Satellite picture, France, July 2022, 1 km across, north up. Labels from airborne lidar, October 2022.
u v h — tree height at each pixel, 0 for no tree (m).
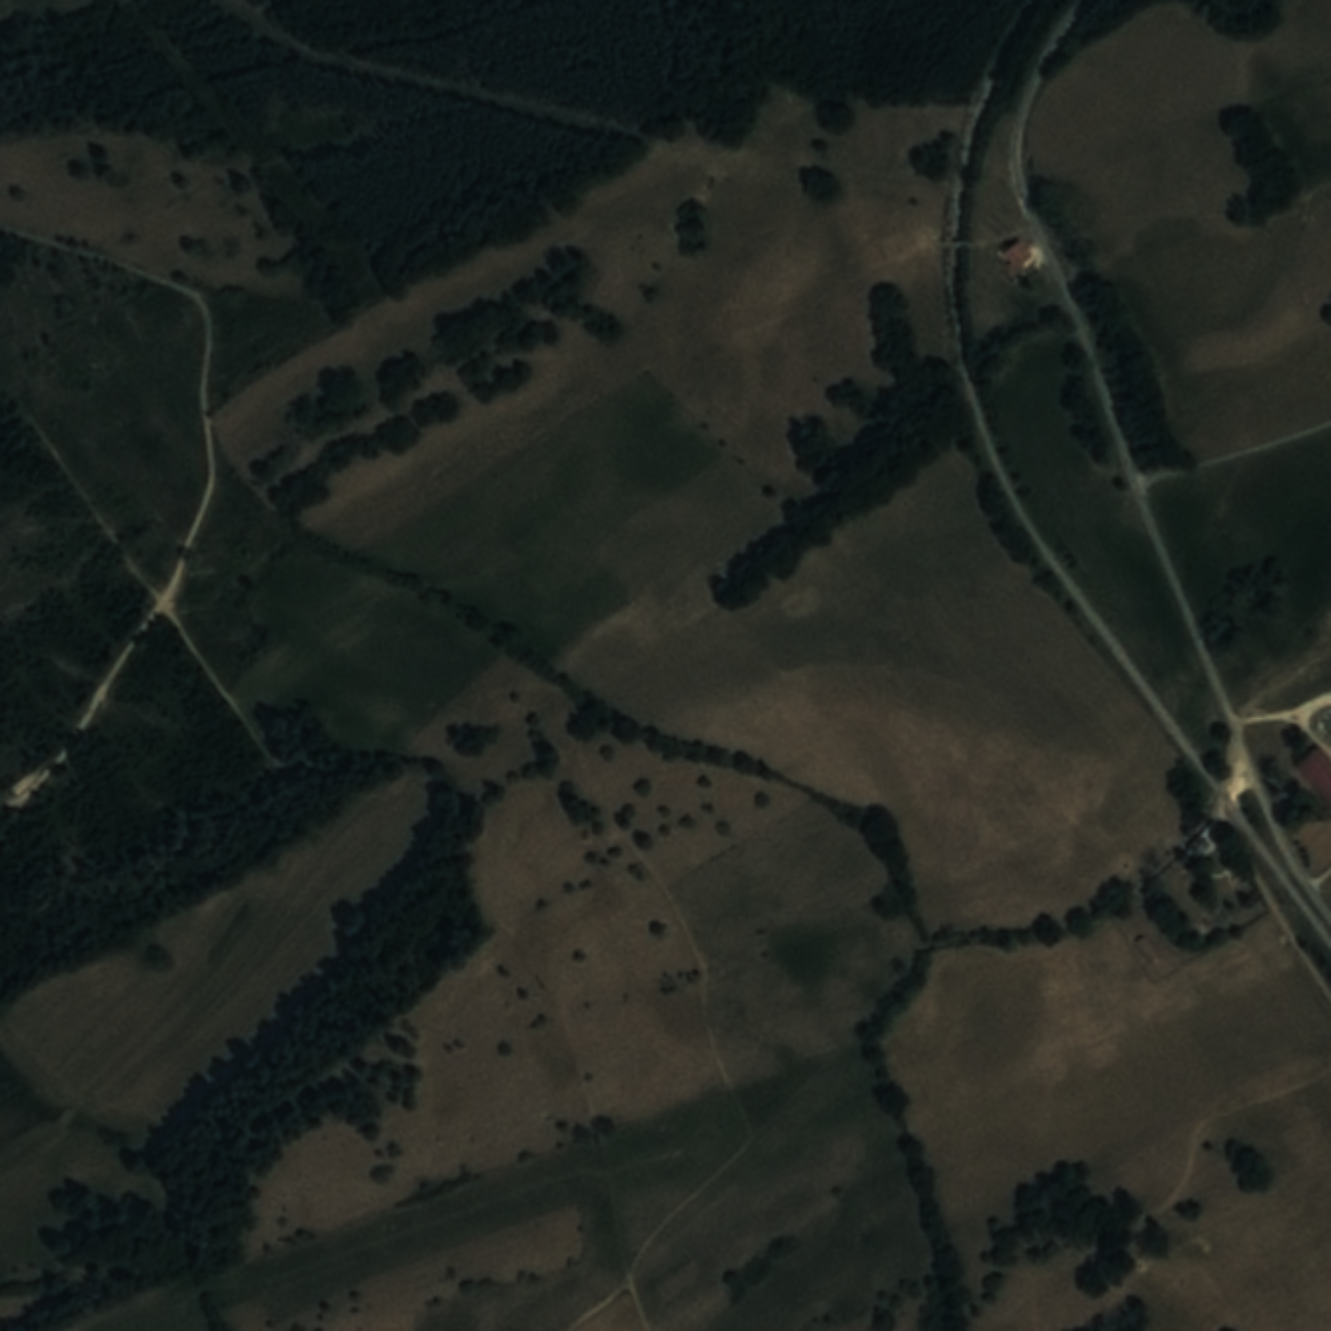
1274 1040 0
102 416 0
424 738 0
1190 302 0
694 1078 0
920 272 0
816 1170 0
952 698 0
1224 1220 0
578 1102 0
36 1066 0
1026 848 0
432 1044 0
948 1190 0
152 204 0
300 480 14
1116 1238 24
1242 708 0
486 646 0
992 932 12
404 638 0
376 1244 0
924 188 0
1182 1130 0
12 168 0
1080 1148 0
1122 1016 0
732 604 22
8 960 15
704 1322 0
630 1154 0
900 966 15
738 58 14
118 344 0
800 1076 0
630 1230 0
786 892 0
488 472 0
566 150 21
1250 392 0
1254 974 0
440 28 15
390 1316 0
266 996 0
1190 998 0
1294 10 0
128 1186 0
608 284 0
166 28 9
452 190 20
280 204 27
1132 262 0
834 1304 0
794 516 19
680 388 0
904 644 0
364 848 0
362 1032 34
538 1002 0
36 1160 0
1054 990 0
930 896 0
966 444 16
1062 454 0
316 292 18
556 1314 0
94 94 18
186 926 0
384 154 21
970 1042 0
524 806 0
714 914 0
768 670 0
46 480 6
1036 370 0
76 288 0
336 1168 0
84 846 6
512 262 0
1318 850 0
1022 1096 0
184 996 0
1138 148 0
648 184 0
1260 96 0
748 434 0
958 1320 17
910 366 23
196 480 0
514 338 10
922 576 0
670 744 10
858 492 29
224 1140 14
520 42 23
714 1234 0
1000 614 0
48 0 0
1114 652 0
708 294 0
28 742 8
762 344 0
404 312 0
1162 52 0
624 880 0
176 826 22
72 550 8
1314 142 0
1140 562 0
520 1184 0
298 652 0
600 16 23
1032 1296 0
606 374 0
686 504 0
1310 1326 0
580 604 0
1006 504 14
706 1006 0
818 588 0
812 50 21
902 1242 0
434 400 10
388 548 0
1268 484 0
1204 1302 0
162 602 0
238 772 6
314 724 17
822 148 14
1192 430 0
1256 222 14
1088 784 0
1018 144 0
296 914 0
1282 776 25
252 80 21
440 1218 0
